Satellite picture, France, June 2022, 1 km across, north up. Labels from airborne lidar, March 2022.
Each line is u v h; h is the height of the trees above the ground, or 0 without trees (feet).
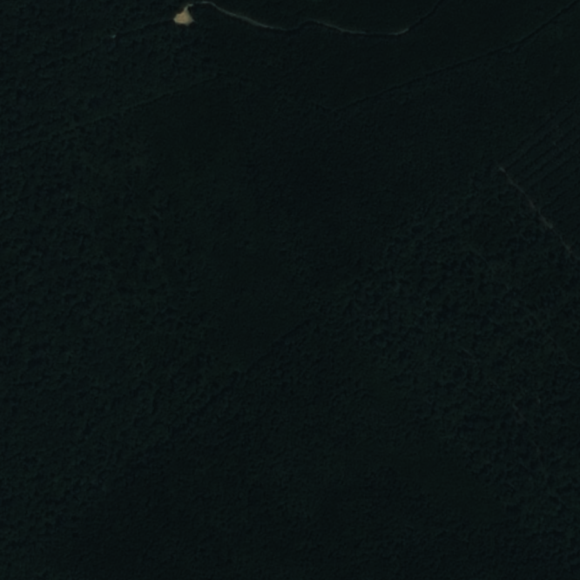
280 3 53
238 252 34
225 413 76
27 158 71
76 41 78
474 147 63
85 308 88
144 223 63
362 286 83
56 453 72
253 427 80
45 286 65
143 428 69
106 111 53
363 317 33
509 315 73
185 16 0
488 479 72
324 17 33
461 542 67
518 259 71
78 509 73
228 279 38
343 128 59
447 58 35
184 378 66
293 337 63
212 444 74
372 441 50
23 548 61
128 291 62
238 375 71
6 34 70
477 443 80
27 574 64
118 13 66
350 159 66
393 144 60
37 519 72
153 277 71
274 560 55
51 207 18
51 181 74
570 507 66
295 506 65
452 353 80
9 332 69
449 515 60
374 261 74
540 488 68
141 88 60
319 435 56
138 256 83
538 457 54
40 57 79
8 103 58
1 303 70
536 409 67
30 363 22
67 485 51
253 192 25
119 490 57
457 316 77
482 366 70
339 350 76
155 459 72
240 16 0
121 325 65
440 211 69
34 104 72
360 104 36
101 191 40
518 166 40
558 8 25
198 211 25
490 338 67
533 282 25
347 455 52
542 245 73
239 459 75
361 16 31
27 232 69
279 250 26
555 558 73
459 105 53
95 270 71
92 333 67
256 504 71
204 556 74
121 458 76
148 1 52
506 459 57
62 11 77
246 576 52
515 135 46
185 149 32
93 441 68
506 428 71
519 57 53
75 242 81
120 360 72
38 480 68
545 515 75
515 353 29
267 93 65
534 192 39
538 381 64
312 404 71
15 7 19
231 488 62
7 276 55
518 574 83
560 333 23
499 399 60
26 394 66
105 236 26
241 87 46
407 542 69
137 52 69
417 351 75
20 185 56
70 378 64
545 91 44
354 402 67
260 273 36
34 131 68
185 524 69
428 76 34
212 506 69
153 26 57
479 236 19
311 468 66
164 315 62
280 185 63
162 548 75
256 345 41
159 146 25
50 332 59
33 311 62
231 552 70
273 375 82
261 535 75
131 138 62
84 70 68
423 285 69
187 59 73
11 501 64
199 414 74
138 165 0
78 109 72
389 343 79
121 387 62
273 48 55
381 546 73
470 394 69
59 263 80
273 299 44
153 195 69
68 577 60
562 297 79
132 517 67
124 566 62
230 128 28
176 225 24
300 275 67
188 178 39
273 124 62
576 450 62
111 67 61
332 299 71
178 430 71
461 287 60
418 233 77
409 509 52
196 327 72
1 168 77
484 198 65
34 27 57
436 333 77
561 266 76
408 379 65
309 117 63
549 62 43
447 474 40
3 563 67
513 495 72
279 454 67
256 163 56
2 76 71
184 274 68
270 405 82
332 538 67
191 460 73
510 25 33
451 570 70
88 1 66
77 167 64
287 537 69
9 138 75
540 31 32
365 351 46
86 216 71
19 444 70
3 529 73
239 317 49
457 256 24
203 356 71
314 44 48
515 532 70
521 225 69
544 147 38
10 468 59
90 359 68
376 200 61
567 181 40
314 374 79
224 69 51
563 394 72
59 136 57
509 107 52
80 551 62
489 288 67
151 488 69
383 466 52
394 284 94
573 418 38
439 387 73
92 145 58
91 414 65
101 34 18
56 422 63
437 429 57
